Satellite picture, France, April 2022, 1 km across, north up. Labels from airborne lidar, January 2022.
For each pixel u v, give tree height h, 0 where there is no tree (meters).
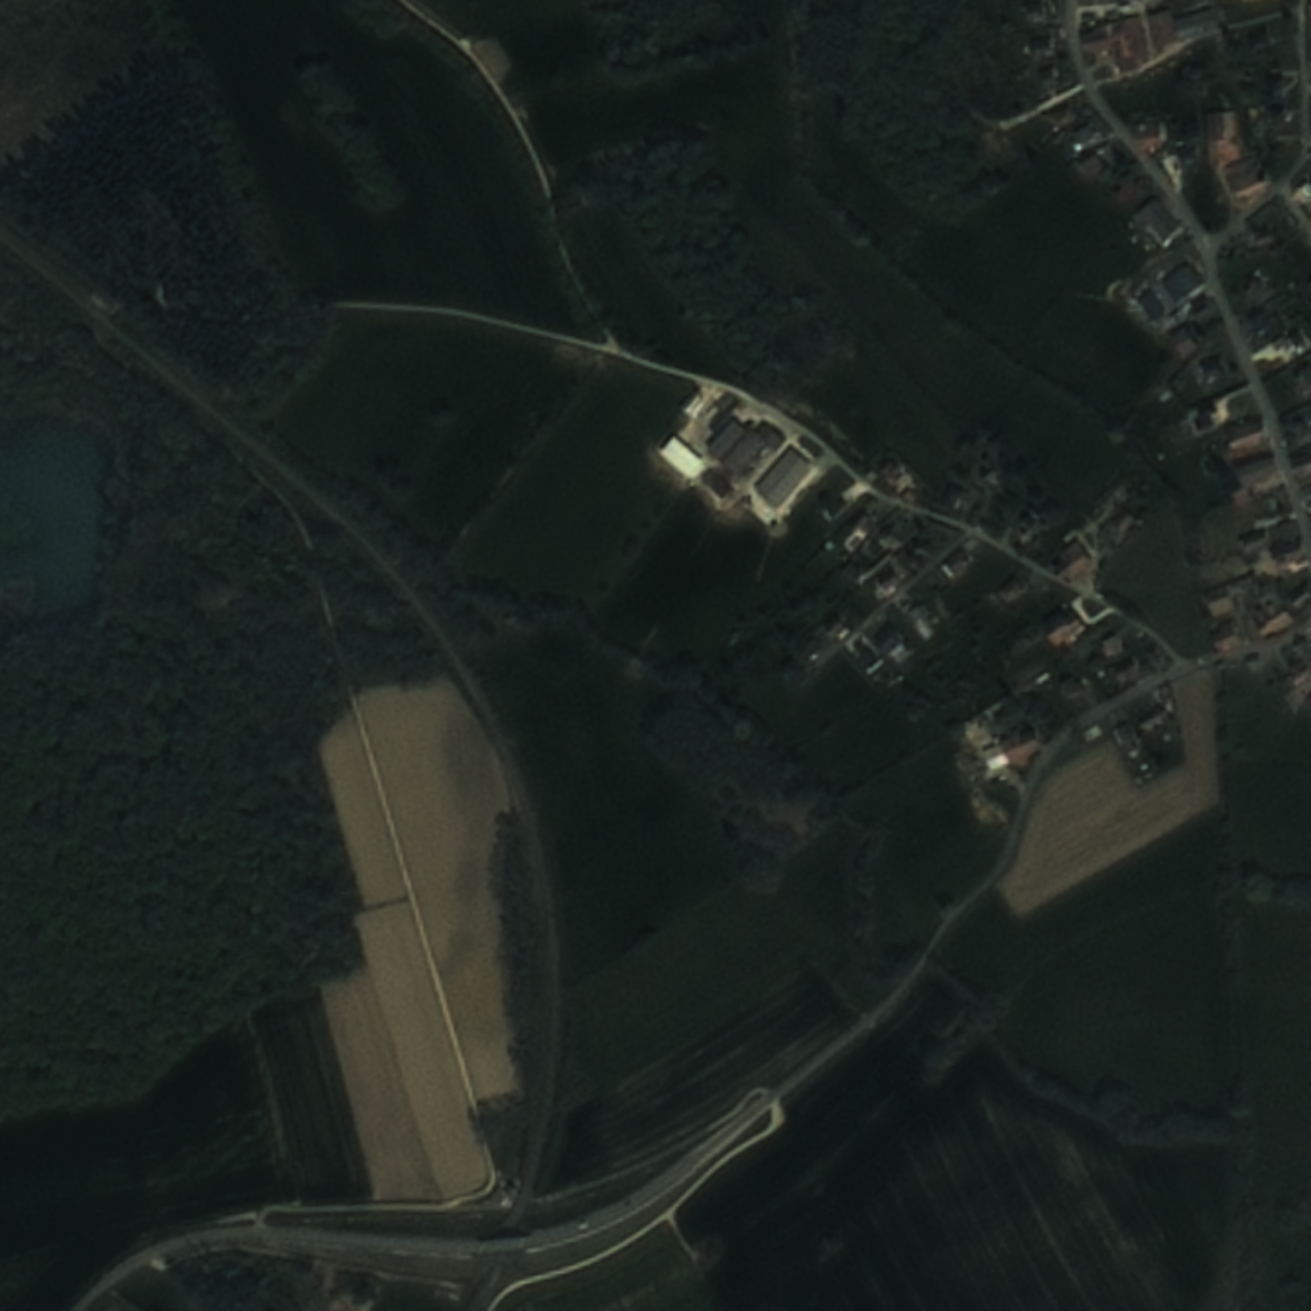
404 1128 0
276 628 7
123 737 27
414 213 0
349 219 0
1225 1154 0
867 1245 0
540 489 0
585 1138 0
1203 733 0
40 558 0
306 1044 0
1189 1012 0
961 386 0
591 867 0
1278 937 0
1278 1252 0
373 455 0
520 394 0
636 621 0
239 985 16
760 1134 0
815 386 0
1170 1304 0
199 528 26
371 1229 0
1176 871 0
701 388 0
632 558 9
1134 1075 0
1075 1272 0
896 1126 0
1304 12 0
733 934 0
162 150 22
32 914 23
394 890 0
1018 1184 0
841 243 0
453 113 0
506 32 0
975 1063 0
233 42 0
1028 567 0
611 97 0
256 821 25
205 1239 0
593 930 0
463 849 0
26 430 0
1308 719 0
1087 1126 0
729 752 24
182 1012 25
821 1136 0
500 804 0
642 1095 0
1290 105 0
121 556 19
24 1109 18
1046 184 0
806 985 0
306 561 25
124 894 21
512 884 18
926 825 0
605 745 0
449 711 0
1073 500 0
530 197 13
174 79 21
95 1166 0
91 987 22
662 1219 0
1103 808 0
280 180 0
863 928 10
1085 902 0
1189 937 0
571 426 0
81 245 20
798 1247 0
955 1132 0
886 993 0
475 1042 0
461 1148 0
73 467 0
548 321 0
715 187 26
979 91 0
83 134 22
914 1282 0
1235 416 0
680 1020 0
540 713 0
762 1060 0
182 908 22
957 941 0
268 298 23
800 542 0
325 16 0
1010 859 0
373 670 20
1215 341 0
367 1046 0
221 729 23
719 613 0
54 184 20
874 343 0
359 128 20
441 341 0
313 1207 0
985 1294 0
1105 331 0
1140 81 0
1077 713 0
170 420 24
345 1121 0
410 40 0
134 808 19
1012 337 0
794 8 17
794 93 6
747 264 13
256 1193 0
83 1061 24
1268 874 11
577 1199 0
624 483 0
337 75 18
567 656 0
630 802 0
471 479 0
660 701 0
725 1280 0
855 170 0
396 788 0
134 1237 0
